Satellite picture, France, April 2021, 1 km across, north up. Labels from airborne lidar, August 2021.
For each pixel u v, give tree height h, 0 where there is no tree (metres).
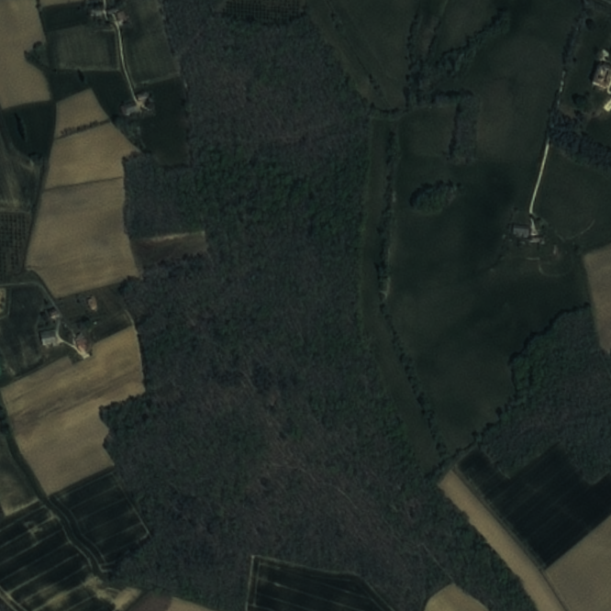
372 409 22
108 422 13
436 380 0
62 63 0
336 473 17
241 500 16
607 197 0
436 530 15
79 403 0
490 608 14
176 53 17
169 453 17
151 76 0
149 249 0
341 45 0
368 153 18
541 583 0
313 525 11
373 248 0
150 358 16
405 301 0
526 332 0
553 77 0
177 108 0
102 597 0
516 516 0
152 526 14
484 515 0
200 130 15
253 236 19
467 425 0
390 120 14
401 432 21
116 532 0
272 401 14
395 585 16
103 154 0
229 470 18
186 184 20
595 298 0
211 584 16
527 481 0
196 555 19
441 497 16
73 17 0
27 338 0
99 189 0
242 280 18
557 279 0
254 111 15
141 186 19
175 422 19
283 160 20
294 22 14
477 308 0
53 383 0
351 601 0
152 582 24
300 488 18
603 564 0
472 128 14
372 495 18
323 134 10
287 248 20
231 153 20
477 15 0
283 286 21
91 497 0
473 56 6
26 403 0
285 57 13
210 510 19
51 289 0
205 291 15
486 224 0
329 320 21
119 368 0
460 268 0
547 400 12
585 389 13
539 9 0
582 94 0
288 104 15
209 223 17
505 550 0
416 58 7
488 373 0
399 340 9
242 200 19
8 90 0
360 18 0
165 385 18
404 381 0
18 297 0
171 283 18
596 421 18
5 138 0
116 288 0
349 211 22
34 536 0
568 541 0
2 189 0
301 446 15
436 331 0
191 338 19
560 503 0
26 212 0
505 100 0
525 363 20
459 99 16
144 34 0
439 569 14
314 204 26
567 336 15
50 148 0
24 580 0
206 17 22
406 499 9
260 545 15
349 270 17
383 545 15
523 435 10
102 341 0
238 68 19
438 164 0
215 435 20
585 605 0
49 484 0
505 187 0
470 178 0
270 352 18
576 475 0
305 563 12
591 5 16
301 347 26
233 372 18
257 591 0
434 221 0
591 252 0
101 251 0
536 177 0
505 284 0
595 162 13
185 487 19
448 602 0
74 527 0
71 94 0
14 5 0
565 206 0
